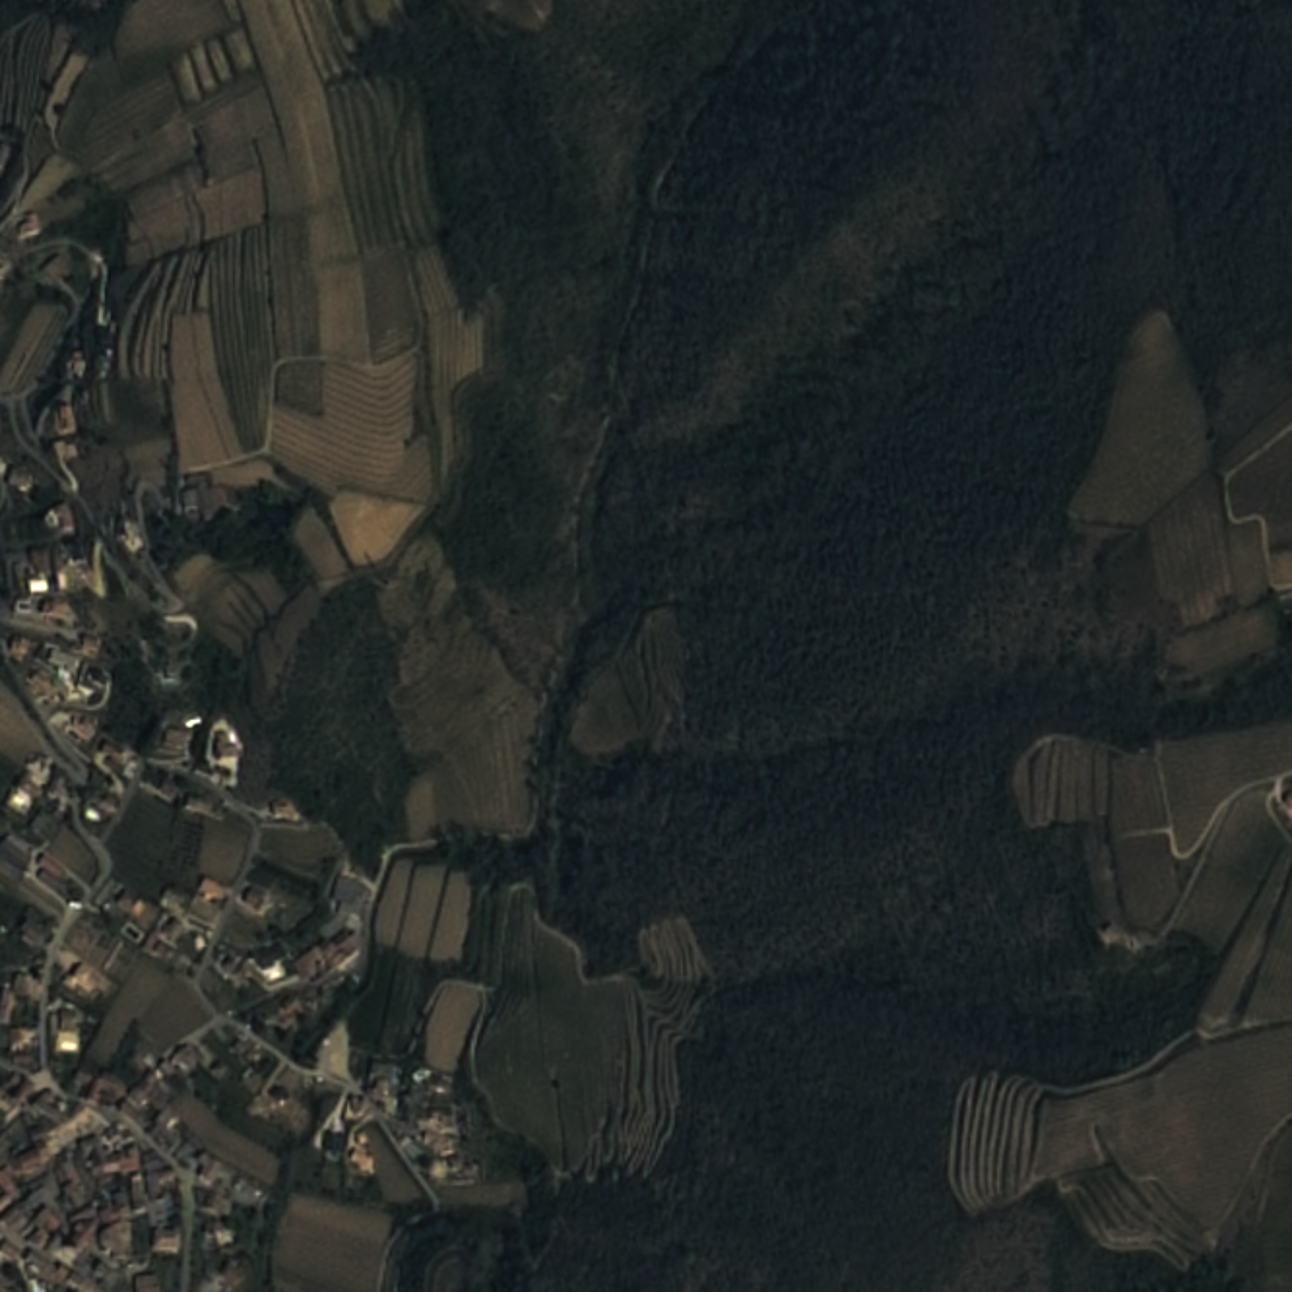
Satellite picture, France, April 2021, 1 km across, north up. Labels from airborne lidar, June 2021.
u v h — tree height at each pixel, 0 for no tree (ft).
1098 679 60
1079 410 20
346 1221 0
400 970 0
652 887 26
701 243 29
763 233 24
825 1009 25
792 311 20
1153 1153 0
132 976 0
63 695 24
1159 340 0
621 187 19
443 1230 34
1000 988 25
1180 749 0
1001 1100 0
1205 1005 0
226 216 0
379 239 0
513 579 28
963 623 20
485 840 58
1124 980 24
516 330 38
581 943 49
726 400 27
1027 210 50
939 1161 20
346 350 0
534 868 35
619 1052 0
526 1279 52
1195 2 25
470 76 89
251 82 0
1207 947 23
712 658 26
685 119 42
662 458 32
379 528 0
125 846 0
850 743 20
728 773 32
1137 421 0
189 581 0
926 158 36
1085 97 66
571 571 47
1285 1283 0
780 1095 38
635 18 26
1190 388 0
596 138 18
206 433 0
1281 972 0
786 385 46
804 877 19
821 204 28
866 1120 25
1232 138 23
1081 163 31
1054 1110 0
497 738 0
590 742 0
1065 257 23
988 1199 0
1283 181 31
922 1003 49
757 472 19
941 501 18
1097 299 20
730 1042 30
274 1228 37
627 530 41
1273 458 0
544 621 31
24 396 0
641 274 28
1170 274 37
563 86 32
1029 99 66
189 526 31
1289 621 0
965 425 28
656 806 37
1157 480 0
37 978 31
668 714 0
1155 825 0
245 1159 0
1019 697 34
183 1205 25
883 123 29
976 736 20
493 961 0
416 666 0
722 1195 19
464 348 0
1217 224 24
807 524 25
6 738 0
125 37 0
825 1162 36
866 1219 20
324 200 0
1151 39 50
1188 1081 0
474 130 74
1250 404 0
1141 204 29
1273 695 42
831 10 58
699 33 56
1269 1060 0
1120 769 0
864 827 24
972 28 42
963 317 30
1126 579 0
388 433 0
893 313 62
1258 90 29
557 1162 0
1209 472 0
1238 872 0
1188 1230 0
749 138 52
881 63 58
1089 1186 0
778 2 46
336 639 45
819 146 38
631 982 0
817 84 45
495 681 0
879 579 19
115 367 46
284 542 84
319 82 0
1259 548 0
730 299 36
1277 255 25
